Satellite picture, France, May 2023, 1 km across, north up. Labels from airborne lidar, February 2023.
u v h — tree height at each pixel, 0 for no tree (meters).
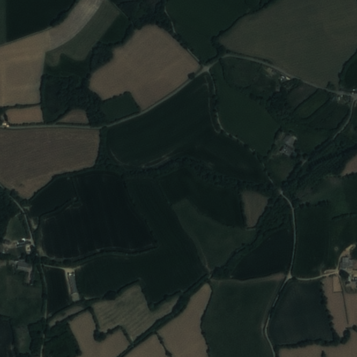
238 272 0
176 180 0
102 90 0
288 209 15
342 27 0
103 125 11
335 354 0
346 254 0
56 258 0
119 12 0
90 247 0
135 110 0
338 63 0
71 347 0
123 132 0
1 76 0
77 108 15
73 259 0
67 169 0
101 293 0
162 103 0
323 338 0
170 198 0
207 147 0
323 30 0
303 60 0
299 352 0
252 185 11
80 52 0
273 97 9
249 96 11
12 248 0
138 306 0
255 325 0
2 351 0
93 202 0
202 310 0
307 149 0
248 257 0
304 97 0
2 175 0
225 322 0
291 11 0
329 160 23
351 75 0
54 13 0
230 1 0
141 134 0
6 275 0
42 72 0
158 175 13
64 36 0
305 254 0
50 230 0
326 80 0
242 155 0
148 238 0
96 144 0
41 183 0
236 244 0
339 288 0
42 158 0
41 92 8
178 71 0
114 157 0
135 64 0
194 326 0
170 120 0
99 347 0
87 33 0
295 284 0
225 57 0
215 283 0
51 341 7
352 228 0
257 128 0
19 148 0
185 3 0
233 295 0
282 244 0
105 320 0
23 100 0
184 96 0
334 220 8
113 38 0
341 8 0
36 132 0
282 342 0
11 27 0
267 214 12
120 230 0
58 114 0
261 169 0
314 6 0
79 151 0
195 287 10
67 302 0
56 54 0
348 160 10
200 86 0
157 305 14
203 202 0
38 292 0
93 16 0
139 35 0
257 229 10
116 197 0
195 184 0
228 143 0
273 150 6
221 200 0
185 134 0
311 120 9
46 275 0
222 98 0
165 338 0
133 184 0
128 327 0
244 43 0
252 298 0
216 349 0
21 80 0
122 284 0
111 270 0
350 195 0
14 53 0
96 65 15
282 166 0
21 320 0
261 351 0
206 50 0
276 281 0
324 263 0
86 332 0
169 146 0
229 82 10
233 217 0
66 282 0
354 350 0
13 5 0
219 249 0
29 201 9
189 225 0
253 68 0
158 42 0
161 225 0
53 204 0
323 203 12
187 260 0
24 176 0
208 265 0
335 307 0
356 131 8
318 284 0
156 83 0
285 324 0
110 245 0
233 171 0
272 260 0
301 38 0
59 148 0
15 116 0
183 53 0
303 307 0
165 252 0
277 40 0
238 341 0
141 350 0
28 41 0
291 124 10
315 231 0
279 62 0
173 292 0
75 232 0
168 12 0
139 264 0
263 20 0
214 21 0
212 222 0
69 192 0
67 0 0
